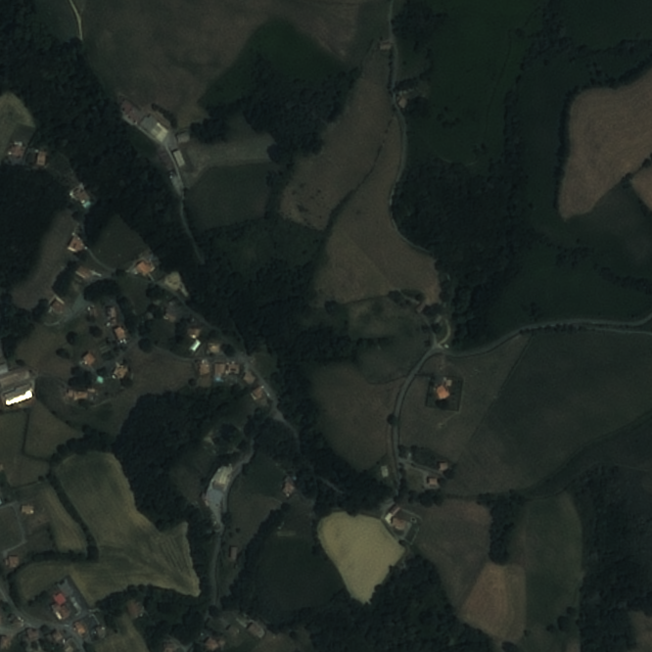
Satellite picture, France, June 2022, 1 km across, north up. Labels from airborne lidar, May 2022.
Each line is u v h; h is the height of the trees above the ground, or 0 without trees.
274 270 7
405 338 0
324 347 28
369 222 0
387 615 23
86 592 0
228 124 18
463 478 0
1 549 0
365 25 0
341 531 0
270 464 0
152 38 0
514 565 0
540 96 0
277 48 0
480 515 0
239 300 20
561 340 0
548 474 0
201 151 0
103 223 15
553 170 0
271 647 0
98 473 0
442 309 19
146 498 11
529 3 0
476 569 0
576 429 0
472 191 22
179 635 17
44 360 0
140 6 0
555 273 0
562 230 0
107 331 0
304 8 0
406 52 0
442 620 18
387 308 0
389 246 0
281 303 17
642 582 10
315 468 20
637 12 0
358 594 0
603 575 13
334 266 0
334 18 0
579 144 0
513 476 0
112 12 0
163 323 0
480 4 0
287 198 0
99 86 20
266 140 0
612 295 0
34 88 22
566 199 0
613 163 0
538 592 0
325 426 0
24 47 21
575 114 0
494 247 24
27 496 0
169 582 0
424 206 26
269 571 0
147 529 0
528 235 17
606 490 7
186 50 0
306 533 0
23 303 0
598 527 8
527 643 0
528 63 8
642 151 0
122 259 0
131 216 26
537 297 0
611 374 0
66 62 30
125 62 0
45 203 19
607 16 0
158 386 0
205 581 17
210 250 12
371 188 0
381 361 0
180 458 9
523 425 0
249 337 17
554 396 0
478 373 0
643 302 0
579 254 11
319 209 0
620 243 0
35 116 10
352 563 0
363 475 7
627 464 0
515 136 16
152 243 18
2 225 26
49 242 0
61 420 0
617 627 24
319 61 0
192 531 16
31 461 0
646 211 10
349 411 0
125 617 0
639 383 0
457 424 0
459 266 20
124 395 0
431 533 0
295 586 0
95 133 27
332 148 0
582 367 0
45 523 0
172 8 0
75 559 9
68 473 0
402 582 18
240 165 0
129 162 29
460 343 15
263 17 0
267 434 19
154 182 29
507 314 0
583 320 0
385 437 0
